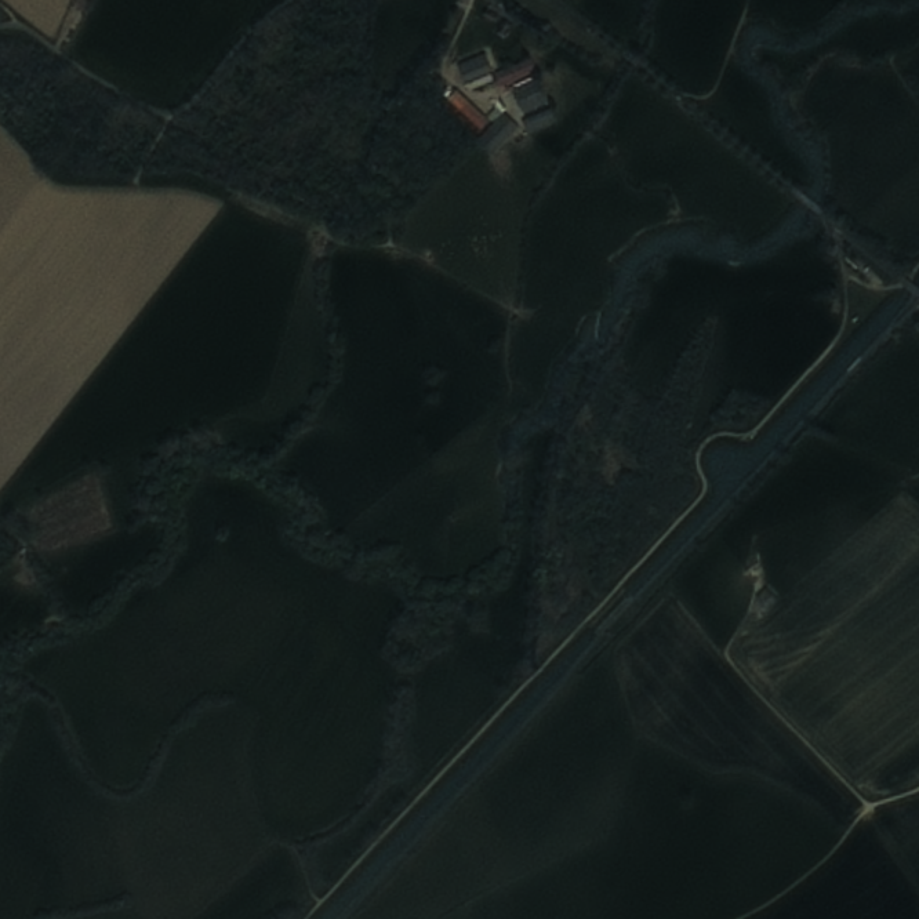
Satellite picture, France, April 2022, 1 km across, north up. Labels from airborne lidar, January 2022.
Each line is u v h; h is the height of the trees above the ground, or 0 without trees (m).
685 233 0
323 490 0
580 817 0
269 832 0
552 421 20
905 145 0
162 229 0
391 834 0
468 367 0
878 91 0
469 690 0
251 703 0
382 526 0
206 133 23
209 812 0
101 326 0
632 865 0
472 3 0
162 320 0
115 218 0
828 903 0
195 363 0
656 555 0
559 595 8
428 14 0
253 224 0
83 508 0
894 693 0
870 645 0
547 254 0
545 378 0
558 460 9
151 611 0
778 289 0
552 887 0
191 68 0
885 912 0
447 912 0
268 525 0
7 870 0
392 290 0
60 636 13
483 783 0
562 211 0
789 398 0
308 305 0
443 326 0
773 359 0
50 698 14
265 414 0
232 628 0
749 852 0
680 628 0
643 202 0
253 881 0
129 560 0
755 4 0
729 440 0
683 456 17
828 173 11
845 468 0
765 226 0
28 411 0
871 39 0
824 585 0
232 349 0
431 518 0
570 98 0
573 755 0
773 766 0
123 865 0
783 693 0
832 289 12
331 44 22
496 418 0
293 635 0
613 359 7
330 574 0
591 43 0
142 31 0
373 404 0
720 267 0
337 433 0
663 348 0
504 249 0
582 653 0
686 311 0
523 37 0
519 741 0
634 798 0
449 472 0
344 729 0
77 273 0
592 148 0
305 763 0
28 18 0
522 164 0
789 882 0
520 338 0
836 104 0
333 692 0
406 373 0
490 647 0
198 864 0
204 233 0
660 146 0
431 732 0
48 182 0
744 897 0
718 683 0
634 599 0
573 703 0
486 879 0
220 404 0
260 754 0
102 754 0
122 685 0
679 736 0
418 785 0
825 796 0
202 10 0
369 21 14
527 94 0
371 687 0
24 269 0
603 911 0
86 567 0
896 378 0
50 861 0
